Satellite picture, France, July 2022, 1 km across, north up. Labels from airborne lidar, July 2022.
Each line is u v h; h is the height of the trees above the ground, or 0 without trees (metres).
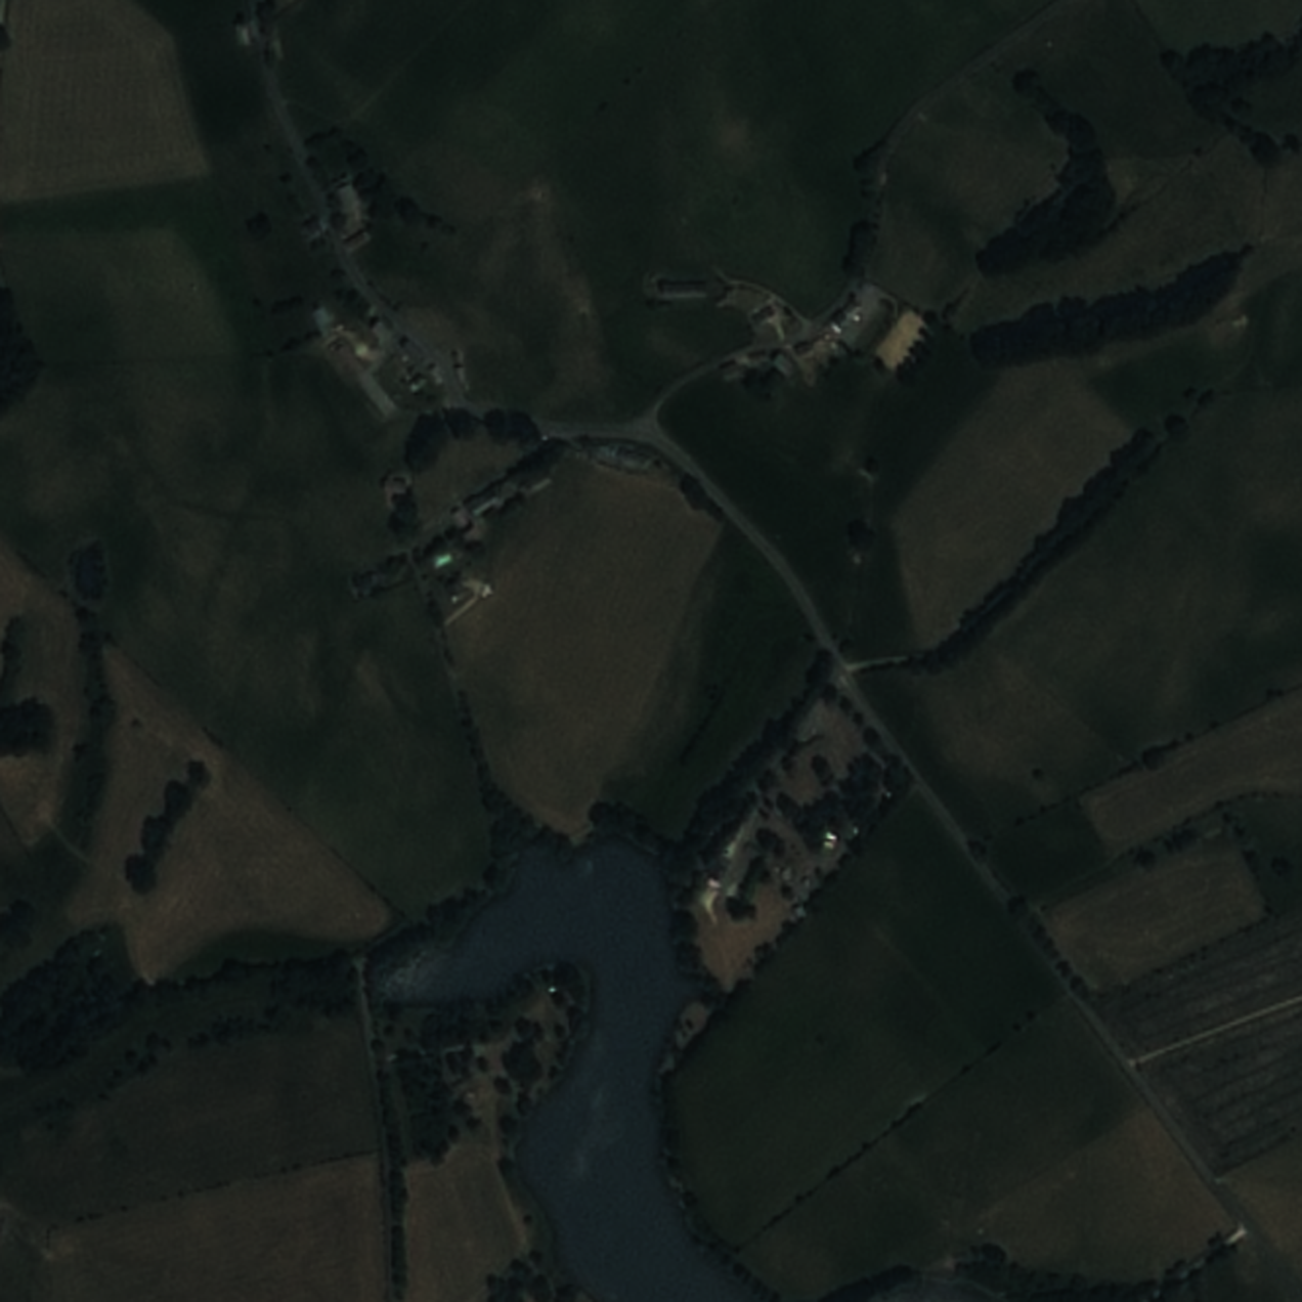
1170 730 0
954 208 0
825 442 0
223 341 0
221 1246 0
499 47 0
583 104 0
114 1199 0
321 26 0
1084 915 0
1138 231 0
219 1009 0
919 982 0
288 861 0
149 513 0
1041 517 0
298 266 0
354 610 0
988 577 0
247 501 0
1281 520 0
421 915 0
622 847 0
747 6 0
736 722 0
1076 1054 0
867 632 0
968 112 0
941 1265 0
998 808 0
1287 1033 0
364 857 0
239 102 0
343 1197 0
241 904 0
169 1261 0
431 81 0
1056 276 0
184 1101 0
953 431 0
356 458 0
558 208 0
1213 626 0
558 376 0
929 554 0
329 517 0
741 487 0
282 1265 0
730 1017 9
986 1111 0
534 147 0
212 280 0
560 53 0
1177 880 0
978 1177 0
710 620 0
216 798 0
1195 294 25
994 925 0
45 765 0
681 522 0
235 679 0
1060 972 10
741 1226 0
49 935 0
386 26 0
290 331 0
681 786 0
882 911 0
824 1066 0
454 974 0
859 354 10
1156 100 0
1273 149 19
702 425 0
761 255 0
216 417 0
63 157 0
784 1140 0
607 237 0
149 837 13
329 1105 0
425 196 0
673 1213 0
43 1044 20
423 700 0
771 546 0
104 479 0
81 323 0
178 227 0
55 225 0
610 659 0
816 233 0
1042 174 0
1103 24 0
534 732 0
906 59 0
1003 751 0
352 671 0
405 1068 8
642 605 0
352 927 0
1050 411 0
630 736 0
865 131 0
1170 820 0
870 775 13
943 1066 0
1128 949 0
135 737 0
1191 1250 0
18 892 0
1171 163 0
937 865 0
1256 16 0
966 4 0
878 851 0
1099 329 26
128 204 0
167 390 0
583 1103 0
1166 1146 0
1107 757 0
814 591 0
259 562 0
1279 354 0
